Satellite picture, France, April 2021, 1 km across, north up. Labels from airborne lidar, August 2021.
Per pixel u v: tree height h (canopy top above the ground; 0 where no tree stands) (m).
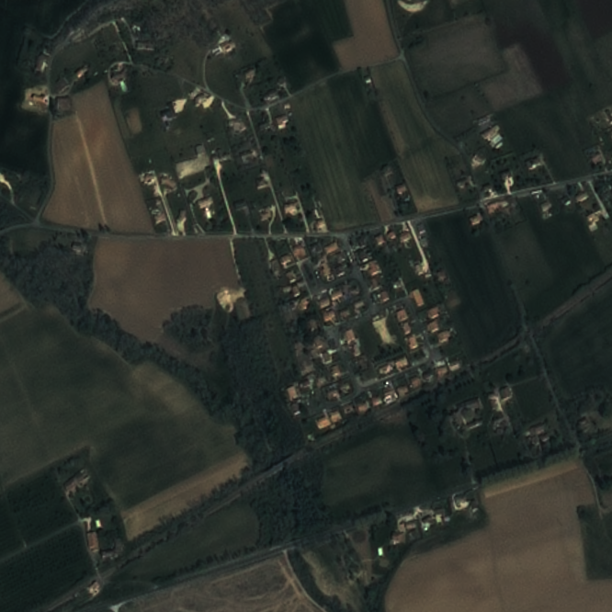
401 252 7
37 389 0
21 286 21
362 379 7
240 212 0
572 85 0
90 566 0
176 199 0
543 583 0
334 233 0
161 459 0
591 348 0
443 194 0
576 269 0
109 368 0
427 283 6
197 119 0
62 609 9
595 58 0
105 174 0
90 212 0
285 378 14
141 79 0
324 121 0
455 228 0
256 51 0
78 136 0
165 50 6
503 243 0
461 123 0
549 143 0
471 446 15
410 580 0
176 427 0
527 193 0
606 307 0
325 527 10
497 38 0
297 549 21
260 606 0
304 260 0
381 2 0
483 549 0
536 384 0
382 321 0
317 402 8
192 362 0
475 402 0
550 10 0
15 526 0
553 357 0
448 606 0
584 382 0
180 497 0
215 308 0
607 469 0
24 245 0
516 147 0
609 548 0
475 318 0
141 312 0
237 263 6
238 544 0
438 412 11
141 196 0
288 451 19
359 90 0
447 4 0
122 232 0
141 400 0
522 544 0
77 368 0
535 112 0
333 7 0
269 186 0
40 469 0
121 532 8
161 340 0
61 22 0
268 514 11
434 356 0
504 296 0
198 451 0
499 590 0
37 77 10
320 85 0
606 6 0
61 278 28
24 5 0
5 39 0
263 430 19
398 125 0
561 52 0
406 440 0
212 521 0
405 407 12
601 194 13
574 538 0
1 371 0
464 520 0
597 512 0
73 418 0
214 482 0
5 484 0
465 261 0
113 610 0
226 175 6
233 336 19
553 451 9
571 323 0
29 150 0
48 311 0
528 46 0
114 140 0
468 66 0
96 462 0
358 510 0
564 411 14
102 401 0
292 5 0
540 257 0
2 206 7
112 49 7
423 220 0
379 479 0
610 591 0
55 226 0
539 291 0
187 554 0
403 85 0
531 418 0
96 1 10
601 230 0
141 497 0
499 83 0
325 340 8
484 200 0
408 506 0
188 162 0
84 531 0
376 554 0
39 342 0
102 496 0
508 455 0
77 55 0
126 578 0
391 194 8
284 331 7
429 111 0
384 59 0
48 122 0
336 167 0
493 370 0
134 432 0
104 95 0
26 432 0
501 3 0
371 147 0
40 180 10
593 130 7
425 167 0
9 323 0
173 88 0
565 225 0
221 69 0
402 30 0
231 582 0
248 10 12
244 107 0
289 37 0
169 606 0
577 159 0
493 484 28
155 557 0
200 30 15
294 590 0
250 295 9
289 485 23
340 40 0
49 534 0
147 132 0
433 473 0
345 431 7
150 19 8
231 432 0
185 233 0
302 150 7
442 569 0
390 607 0
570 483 0
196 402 0
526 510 0
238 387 16
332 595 0
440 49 0
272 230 0
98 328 19
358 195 0
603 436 10
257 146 10
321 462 16
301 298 6
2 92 0
